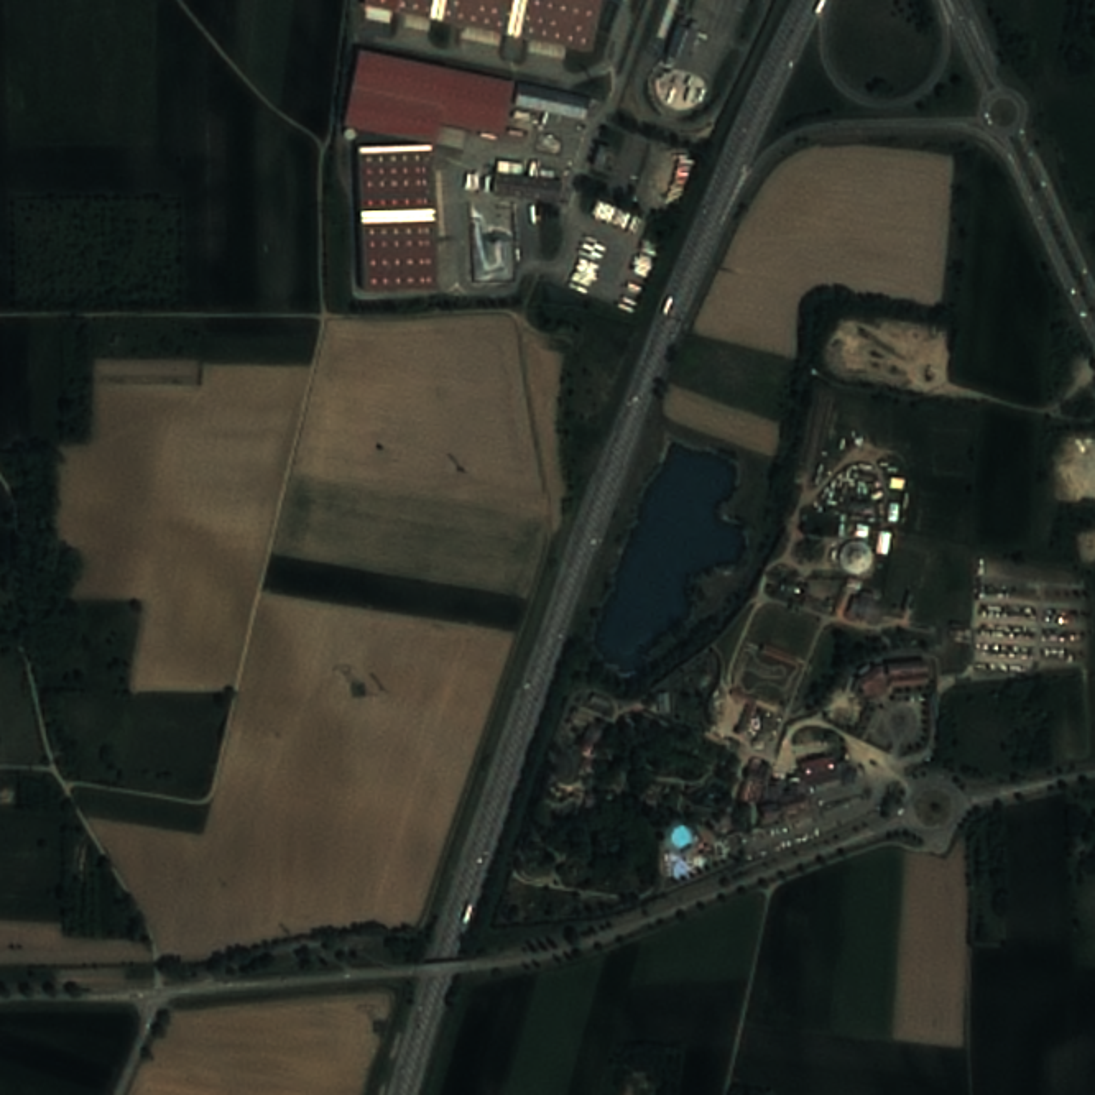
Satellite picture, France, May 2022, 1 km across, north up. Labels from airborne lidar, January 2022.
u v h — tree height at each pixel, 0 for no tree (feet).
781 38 0
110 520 0
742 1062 0
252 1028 0
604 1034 0
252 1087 0
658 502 0
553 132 0
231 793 0
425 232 0
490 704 0
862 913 0
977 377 0
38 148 0
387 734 0
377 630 0
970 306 0
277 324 0
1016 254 0
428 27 0
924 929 0
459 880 0
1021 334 0
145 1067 0
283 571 0
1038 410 0
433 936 30
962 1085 0
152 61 0
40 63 0
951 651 0
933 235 0
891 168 0
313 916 0
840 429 0
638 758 50
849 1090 0
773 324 0
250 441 0
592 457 0
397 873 0
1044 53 0
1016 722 0
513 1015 0
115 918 0
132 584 0
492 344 0
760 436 0
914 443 0
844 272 0
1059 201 0
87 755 0
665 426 0
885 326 0
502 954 0
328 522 0
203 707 0
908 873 0
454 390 0
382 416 0
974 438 0
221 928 0
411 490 0
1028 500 0
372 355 0
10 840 0
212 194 0
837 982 0
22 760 0
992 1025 0
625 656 0
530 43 0
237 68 0
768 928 0
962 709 0
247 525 0
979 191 0
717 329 0
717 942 0
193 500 0
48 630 50
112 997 0
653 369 0
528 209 0
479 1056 0
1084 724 0
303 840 0
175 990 0
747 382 0
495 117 0
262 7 0
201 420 0
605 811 55
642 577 0
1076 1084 0
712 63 0
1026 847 0
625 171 0
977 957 0
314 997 0
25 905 0
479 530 0
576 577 0
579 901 21
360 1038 0
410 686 0
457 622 0
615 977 0
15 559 28
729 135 0
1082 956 0
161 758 0
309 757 0
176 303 21
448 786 0
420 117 0
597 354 0
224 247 0
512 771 0
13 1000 0
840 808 0
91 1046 0
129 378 0
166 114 0
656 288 0
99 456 0
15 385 0
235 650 0
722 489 0
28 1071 0
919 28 19
